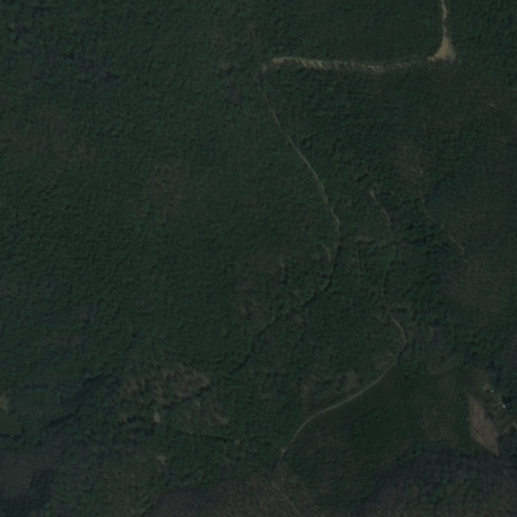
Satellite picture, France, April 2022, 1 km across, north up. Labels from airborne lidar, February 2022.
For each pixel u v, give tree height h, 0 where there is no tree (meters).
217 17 28
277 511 21
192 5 22
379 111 23
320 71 18
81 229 21
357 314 24
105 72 22
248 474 19
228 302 24
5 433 0
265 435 27
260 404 24
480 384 0
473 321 26
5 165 22
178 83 19
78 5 22
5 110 20
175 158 24
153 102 17
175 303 14
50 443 27
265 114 23
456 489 22
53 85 25
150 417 11
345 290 25
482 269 19
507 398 6
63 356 17
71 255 19
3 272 20
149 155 18
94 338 23
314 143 25
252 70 30
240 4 13
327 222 22
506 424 0
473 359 13
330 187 22
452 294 21
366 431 8
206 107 17
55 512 30
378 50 23
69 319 15
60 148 24
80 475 26
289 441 10
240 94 27
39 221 21
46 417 9
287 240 24
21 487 23
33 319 19
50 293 20
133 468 26
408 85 23
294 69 23
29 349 22
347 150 25
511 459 25
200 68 22
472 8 22
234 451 24
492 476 23
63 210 16
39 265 19
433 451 18
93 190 21
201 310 19
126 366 28
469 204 20
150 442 24
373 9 18
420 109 22
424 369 22
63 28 23
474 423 0
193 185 24
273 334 26
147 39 21
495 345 21
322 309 24
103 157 22
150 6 15
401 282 26
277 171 19
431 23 20
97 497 24
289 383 22
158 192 26
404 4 20
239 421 26
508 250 20
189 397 21
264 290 26
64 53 18
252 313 26
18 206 18
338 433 8
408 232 24
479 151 23
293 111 21
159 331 21
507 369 24
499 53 25
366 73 22
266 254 27
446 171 23
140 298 26
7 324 21
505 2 18
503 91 19
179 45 18
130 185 21
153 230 22
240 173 25
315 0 19
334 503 14
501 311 22
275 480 19
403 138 20
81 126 21
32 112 20
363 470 8
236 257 22
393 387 6
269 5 27
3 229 25
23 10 24
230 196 21
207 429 27
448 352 20
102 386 25
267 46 27
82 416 21
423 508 21
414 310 19
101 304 22
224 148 22
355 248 25
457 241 17
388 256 24
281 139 22
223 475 22
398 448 18
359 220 20
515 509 23
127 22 20
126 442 28
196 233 22
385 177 15
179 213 24
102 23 21
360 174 22
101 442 26
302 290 23
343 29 24
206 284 18
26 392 18
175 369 26
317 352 25
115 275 22
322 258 27
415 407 11
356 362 25
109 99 16
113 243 23
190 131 19
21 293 17
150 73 17
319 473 10
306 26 18
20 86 20
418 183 19
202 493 20
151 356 25
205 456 24
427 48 20
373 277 20
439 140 20
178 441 25
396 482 14
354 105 19
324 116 16
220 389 27
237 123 27
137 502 27
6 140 23
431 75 21
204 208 23
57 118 21
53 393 21
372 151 18
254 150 21
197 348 23
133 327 26
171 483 24
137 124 16
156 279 26
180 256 21
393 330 18
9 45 23
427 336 28
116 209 19
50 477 23
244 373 22
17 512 20
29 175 21
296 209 24
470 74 19
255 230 24
